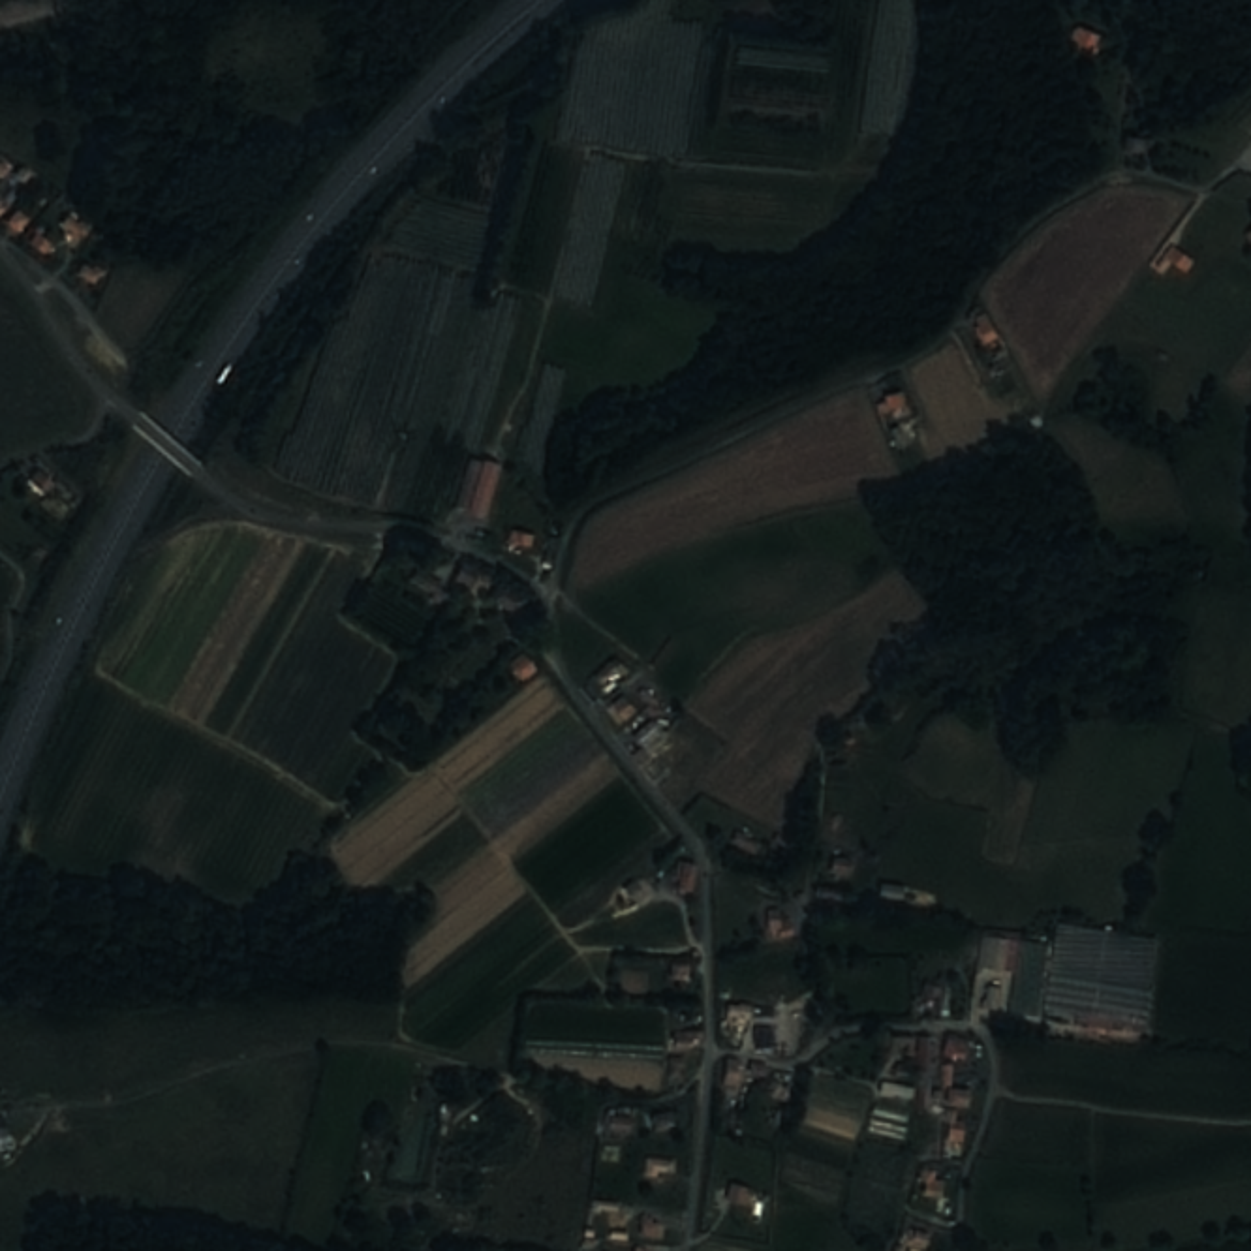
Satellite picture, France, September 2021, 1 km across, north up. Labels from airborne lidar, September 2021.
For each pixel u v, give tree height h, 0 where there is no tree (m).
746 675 0
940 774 0
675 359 0
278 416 0
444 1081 14
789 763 0
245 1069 0
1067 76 14
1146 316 0
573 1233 0
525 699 0
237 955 23
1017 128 25
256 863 0
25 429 0
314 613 0
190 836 0
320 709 0
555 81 21
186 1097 0
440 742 10
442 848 0
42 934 27
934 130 29
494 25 0
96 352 0
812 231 0
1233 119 0
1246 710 0
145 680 0
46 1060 0
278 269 0
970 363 0
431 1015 0
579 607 0
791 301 29
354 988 23
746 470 0
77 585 0
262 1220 0
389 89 13
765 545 0
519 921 0
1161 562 0
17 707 0
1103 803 0
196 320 0
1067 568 26
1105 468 0
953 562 16
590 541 0
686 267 21
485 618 8
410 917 14
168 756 0
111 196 28
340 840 0
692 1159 0
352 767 0
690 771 0
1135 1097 0
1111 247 0
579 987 0
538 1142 0
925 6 11
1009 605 28
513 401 0
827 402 0
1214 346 0
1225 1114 0
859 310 25
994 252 15
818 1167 0
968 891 0
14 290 0
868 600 0
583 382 0
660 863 11
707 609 0
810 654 0
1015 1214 0
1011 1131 0
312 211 0
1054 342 0
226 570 0
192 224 22
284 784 0
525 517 0
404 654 8
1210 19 15
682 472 0
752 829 0
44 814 0
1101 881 0
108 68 31
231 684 0
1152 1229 0
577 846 0
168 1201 0
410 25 13
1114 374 22
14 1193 0
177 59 26
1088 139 10
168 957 28
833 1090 0
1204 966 0
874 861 7
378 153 0
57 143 13
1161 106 14
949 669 34
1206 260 0
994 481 27
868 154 0
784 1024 0
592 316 0
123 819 0
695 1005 7
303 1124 0
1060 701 0
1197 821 0
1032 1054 0
